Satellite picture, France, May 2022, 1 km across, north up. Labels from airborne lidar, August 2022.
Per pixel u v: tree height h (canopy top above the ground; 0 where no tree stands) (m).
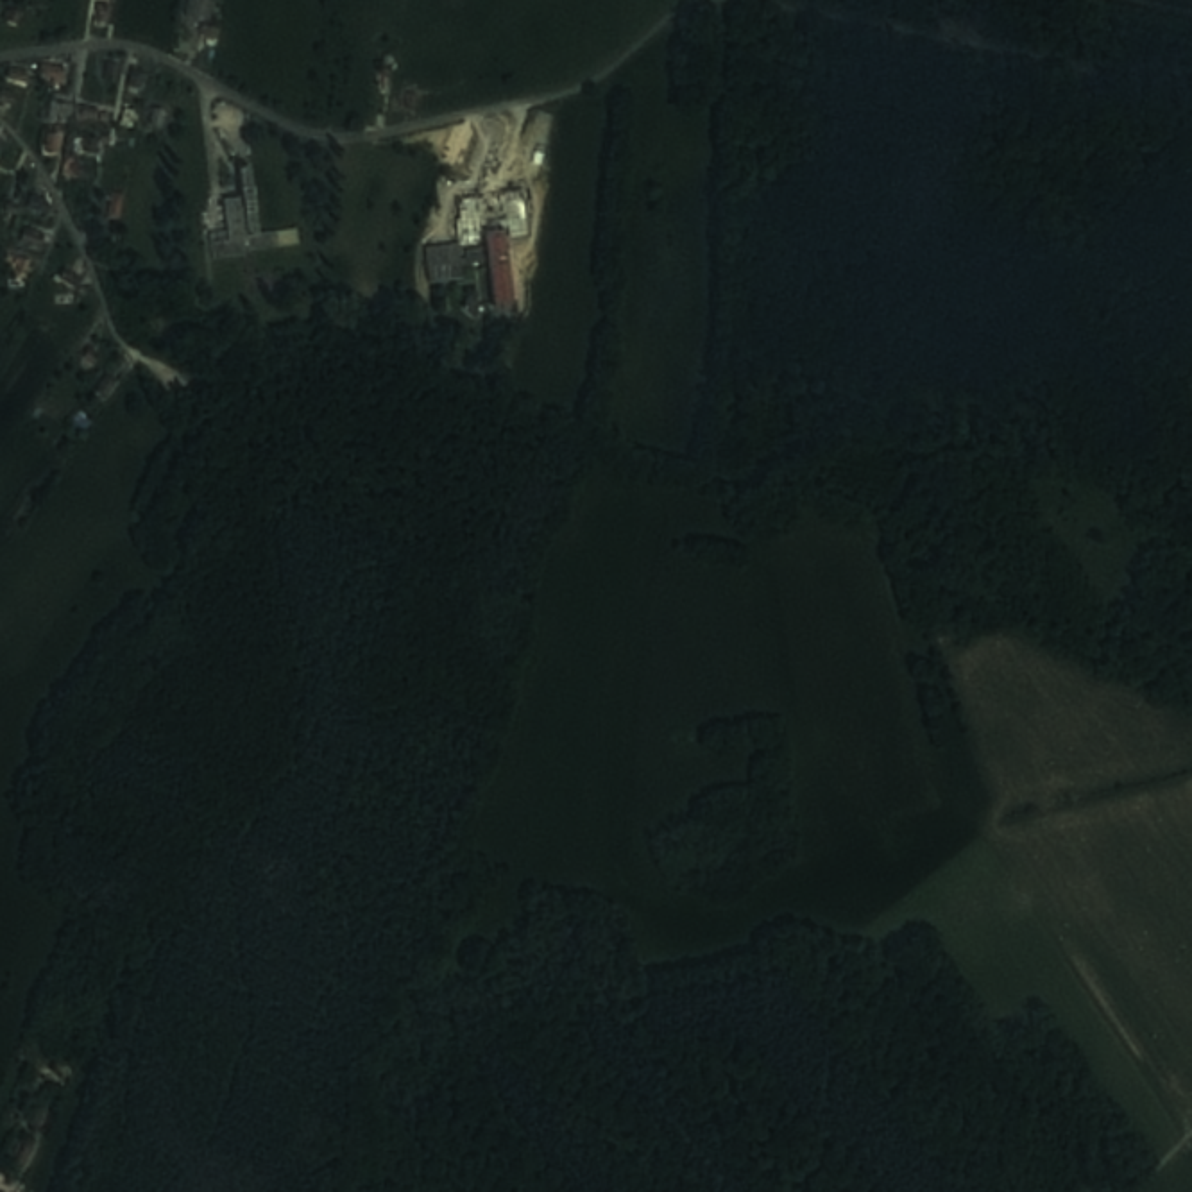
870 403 23
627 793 0
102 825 21
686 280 0
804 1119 24
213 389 22
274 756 15
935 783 0
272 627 19
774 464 18
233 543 23
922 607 19
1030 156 25
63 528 0
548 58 0
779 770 19
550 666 0
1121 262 18
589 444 22
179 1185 16
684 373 0
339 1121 17
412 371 22
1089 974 0
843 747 0
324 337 21
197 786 18
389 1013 25
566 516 20
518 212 0
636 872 0
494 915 0
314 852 15
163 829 13
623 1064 23
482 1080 25
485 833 0
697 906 0
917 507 22
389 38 10
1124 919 0
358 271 0
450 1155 22
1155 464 22
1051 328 23
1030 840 0
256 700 21
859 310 25
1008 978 0
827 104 23
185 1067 15
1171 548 24
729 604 0
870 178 25
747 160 25
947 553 21
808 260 18
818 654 0
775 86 26
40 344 0
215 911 12
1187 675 22
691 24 25
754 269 23
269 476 20
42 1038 16
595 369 19
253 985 14
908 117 18
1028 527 8
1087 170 25
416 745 13
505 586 16
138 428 0
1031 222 24
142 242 0
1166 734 0
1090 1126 17
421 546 18
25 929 0
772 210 18
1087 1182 21
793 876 0
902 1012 23
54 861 17
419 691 18
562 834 0
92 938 13
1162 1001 0
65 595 0
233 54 0
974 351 28
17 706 0
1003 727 0
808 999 21
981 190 21
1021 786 0
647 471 18
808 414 23
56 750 27
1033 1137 6
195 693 22
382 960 13
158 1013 19
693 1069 23
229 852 14
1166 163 28
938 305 25
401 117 0
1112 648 20
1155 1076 0
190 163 0
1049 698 0
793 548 0
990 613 18
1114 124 24
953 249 20
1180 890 0
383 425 26
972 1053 30
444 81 0
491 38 0
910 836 0
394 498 23
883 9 22
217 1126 10
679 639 0
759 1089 23
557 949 27
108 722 29
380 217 0
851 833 0
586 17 0
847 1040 21
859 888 0
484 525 24
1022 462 21
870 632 0
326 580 16
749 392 25
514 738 0
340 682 15
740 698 0
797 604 0
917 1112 19
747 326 25
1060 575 8
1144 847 0
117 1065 23
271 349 20
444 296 9
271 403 25
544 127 0
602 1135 21
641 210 0
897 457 10
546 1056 23
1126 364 24
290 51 0
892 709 0
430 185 0
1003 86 21
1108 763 0
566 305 0
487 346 15
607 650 0
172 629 25
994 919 0
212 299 21
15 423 0
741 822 17
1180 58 23
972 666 0
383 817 14
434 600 22
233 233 0
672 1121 19
